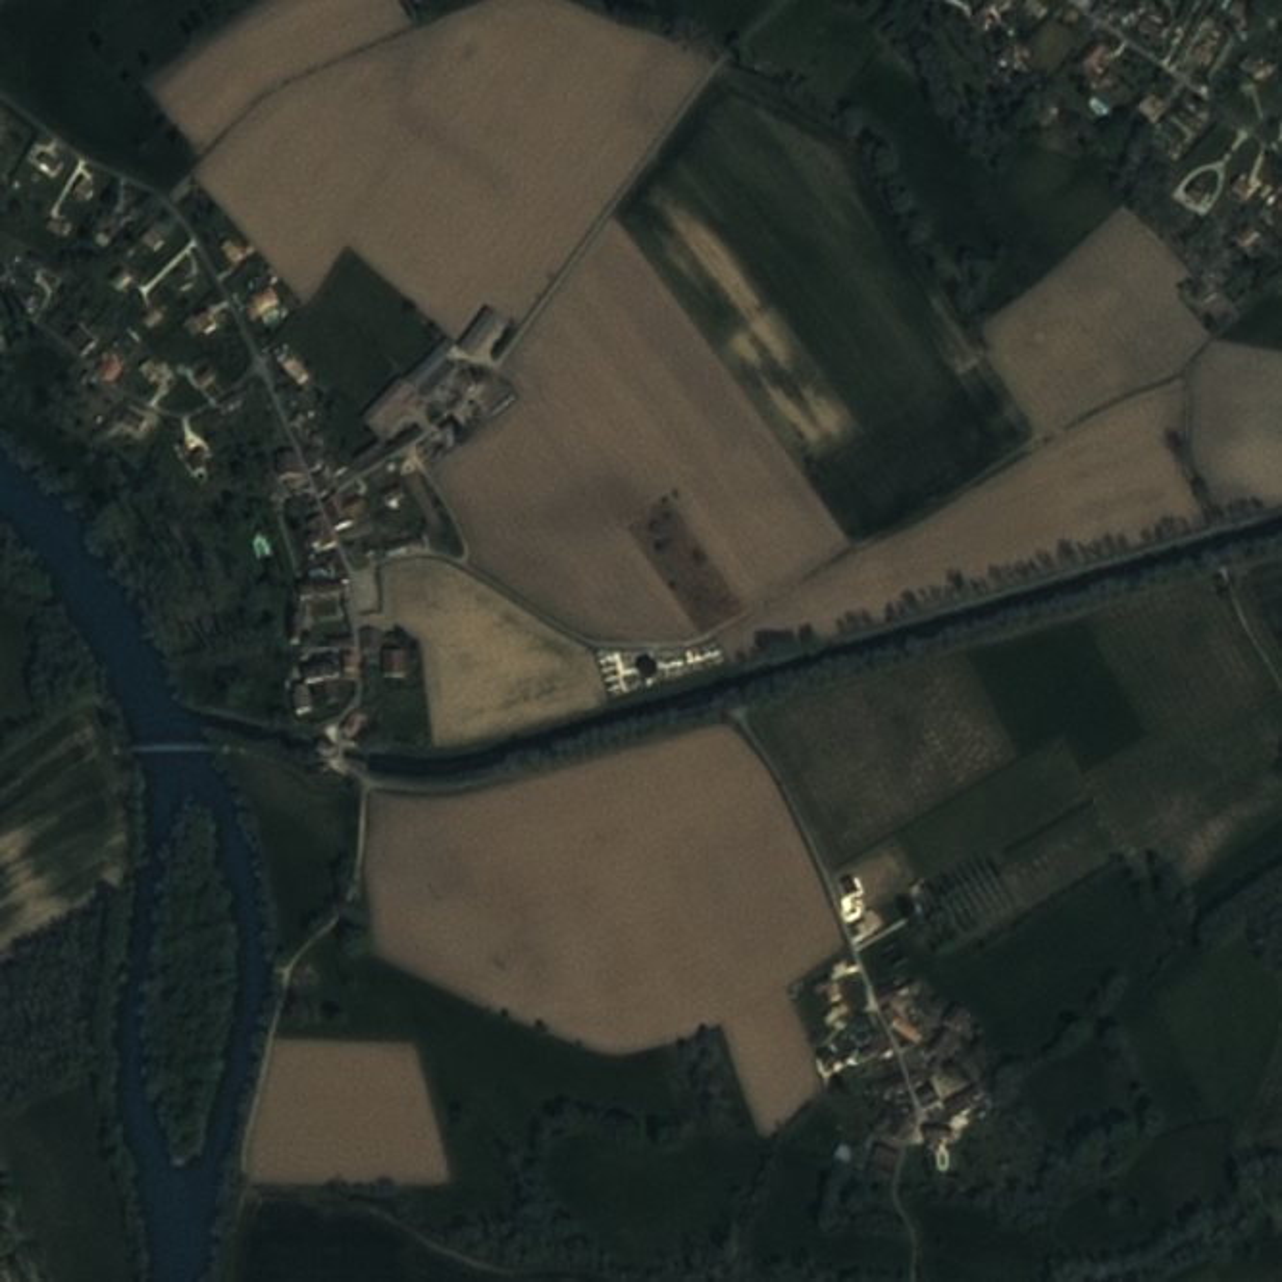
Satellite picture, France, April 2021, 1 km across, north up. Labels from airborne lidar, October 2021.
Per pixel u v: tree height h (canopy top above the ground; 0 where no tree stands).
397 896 0
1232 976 0
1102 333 0
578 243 0
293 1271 0
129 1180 10
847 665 21
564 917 0
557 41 0
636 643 0
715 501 0
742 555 0
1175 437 0
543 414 0
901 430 0
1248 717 12
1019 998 0
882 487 0
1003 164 29
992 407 0
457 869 0
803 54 0
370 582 0
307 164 0
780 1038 0
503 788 0
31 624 8
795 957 0
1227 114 15
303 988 0
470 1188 0
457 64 0
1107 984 14
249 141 0
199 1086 15
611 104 0
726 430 0
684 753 0
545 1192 14
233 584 27
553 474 0
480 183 0
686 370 0
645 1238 0
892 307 0
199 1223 0
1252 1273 0
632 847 0
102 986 27
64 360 0
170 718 0
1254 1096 0
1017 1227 17
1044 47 0
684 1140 22
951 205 0
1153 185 21
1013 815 0
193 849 21
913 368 0
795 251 0
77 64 0
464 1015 0
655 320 0
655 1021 0
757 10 0
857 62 0
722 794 0
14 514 0
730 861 0
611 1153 0
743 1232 7
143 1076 11
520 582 0
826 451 0
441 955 0
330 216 0
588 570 0
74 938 12
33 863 0
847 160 0
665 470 0
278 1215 0
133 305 0
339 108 0
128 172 0
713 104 0
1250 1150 0
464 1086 0
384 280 0
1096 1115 0
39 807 0
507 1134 0
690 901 0
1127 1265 14
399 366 0
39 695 19
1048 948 0
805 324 0
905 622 14
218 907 21
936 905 19
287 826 0
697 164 0
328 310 0
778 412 0
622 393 0
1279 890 14
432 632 0
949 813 0
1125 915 0
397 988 0
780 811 0
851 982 0
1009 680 0
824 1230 23
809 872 0
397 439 7
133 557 32
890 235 0
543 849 0
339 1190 12
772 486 0
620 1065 0
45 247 0
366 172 0
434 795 0
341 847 0
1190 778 14
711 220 0
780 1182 0
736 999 0
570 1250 16
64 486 9
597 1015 0
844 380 0
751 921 0
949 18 18
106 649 0
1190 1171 0
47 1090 23
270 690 0
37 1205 0
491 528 0
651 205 0
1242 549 16
